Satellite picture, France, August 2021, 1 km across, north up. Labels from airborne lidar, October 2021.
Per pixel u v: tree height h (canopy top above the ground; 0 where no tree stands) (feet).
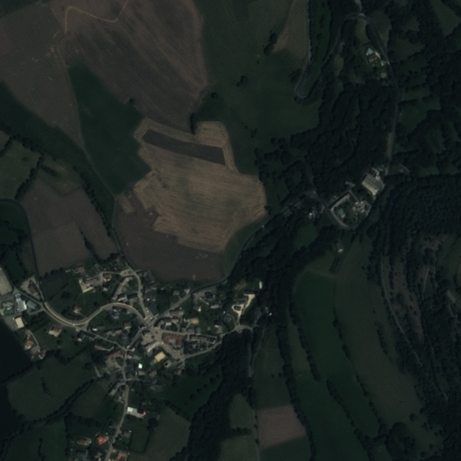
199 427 75
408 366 33
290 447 0
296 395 54
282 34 0
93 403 0
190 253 0
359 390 0
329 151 77
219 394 59
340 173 110
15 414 46
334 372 0
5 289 0
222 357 49
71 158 0
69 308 26
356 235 33
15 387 0
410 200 82
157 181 0
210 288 0
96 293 0
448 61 82
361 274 0
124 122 0
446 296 35
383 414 0
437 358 29
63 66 0
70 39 0
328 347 0
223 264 0
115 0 0
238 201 0
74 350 0
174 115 0
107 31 0
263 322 51
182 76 0
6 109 0
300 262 90
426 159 90
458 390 24
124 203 0
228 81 0
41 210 0
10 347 0
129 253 0
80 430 0
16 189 0
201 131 0
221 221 0
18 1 0
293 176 70
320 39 45
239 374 99
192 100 0
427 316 61
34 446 0
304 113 0
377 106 87
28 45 0
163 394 0
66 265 0
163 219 0
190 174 0
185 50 0
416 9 70
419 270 39
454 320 61
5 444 38
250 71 0
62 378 0
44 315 36
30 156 0
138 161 0
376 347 0
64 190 0
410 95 0
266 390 0
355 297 0
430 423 48
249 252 55
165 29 0
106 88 0
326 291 0
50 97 0
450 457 98
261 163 46
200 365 22
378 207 26
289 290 63
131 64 0
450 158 109
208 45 0
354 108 82
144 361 0
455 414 62
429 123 65
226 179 0
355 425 46
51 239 0
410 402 0
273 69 0
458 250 0
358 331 0
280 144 60
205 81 0
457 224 99
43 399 0
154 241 0
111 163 0
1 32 0
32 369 27
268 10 0
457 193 80
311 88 0
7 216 0
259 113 0
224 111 0
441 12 0
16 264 0
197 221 0
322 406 0
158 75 0
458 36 64
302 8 0
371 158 97
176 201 0
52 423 54
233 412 0
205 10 0
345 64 25
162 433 0
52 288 0
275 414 0
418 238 42
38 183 0
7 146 35
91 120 0
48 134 0
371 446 70
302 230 0
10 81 0
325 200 68
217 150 0
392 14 62
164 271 0
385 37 0
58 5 0
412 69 0
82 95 0
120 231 0
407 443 55
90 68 0
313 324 0
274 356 0
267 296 90
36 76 0
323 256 67
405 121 0
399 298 31
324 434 0
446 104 76
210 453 97
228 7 0
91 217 0
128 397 0
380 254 44
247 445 0
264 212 0
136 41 0
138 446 0
